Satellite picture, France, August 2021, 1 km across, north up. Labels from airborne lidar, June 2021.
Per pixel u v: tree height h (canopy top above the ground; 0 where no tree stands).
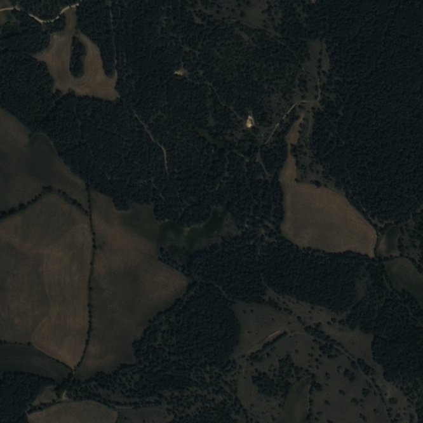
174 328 7
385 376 13
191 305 12
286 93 6
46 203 0
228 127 7
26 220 0
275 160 16
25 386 17
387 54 17
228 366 9
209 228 0
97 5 18
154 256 0
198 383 9
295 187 0
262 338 0
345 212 0
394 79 20
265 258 8
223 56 7
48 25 7
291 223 0
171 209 18
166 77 13
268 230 11
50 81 16
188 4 11
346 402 0
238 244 15
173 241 0
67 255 0
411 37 21
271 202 14
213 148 12
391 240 0
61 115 18
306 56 7
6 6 0
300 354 0
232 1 0
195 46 8
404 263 0
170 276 0
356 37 11
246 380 0
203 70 12
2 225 0
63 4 15
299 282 10
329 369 0
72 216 0
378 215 12
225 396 13
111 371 0
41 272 0
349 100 10
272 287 7
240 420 0
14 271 0
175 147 7
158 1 11
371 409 0
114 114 11
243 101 7
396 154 14
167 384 10
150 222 0
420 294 0
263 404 0
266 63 9
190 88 10
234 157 15
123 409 0
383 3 22
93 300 0
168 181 13
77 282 0
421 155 16
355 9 19
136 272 0
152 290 0
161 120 10
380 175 19
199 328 15
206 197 13
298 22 8
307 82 11
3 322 0
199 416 7
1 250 0
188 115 7
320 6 19
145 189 11
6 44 14
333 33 15
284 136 6
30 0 13
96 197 0
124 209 15
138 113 8
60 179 0
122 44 17
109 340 0
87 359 0
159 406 7
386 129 11
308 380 0
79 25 14
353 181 13
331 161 12
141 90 13
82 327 0
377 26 15
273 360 0
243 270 10
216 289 12
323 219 0
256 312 0
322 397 0
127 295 0
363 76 14
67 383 16
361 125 20
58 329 0
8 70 18
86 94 0
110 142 16
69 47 0
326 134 11
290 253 9
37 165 0
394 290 9
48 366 0
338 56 13
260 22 0
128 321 0
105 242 0
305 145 7
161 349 9
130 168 8
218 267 11
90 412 0
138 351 9
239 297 10
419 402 7
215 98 9
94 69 0
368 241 0
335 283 19
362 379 0
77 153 18
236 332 14
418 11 20
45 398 0
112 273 0
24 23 8
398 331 9
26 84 16
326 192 0
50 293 0
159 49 14
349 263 10
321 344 7
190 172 10
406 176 15
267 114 9
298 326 0
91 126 16
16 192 0
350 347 0
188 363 9
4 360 0
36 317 0
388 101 22
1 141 0
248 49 7
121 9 14
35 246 0
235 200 16
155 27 12
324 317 0
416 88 12
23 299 0
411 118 18
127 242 0
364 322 7
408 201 15
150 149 10
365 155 16
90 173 18
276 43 7
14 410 16
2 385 15
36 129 15
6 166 0
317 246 0
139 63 15
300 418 0
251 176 14
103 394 0
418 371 7
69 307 0
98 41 16
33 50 13
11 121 0
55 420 0
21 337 0
